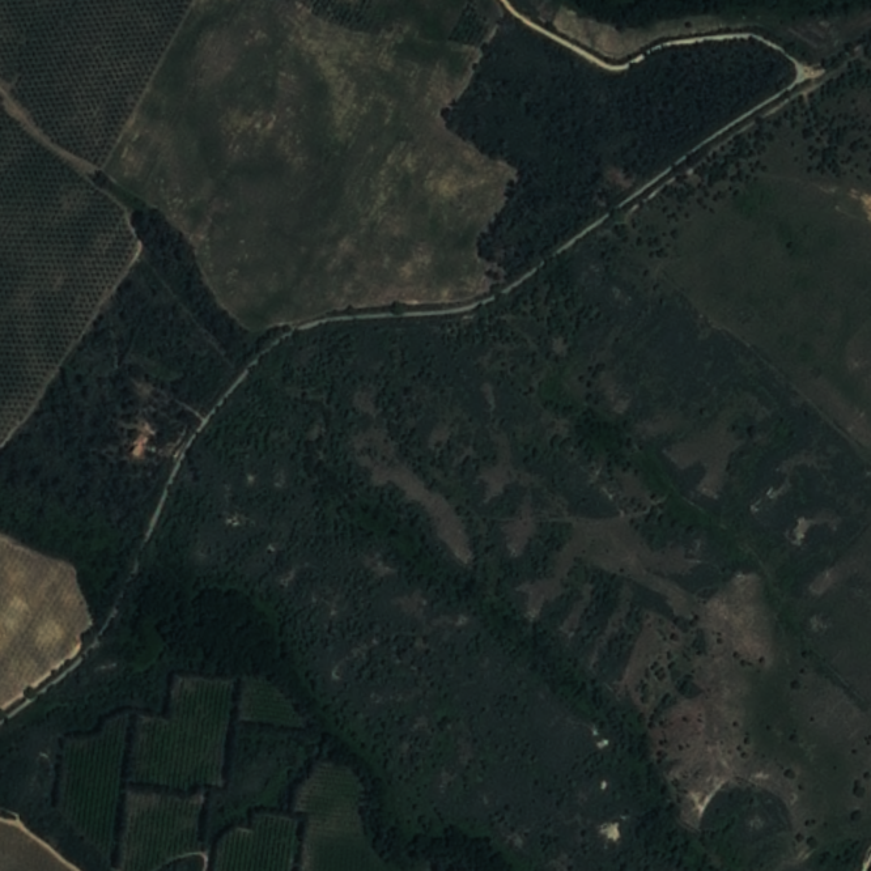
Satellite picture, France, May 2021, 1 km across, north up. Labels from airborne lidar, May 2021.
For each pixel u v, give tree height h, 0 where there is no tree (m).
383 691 0
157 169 0
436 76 0
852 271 0
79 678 9
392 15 0
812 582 0
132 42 6
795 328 0
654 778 11
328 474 11
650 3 22
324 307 0
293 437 8
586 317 8
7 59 5
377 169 0
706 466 0
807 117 6
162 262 7
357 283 0
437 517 0
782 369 0
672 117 16
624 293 0
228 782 18
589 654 0
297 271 0
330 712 11
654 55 16
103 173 12
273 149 0
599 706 18
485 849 14
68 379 17
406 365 7
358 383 7
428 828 11
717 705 0
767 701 0
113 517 21
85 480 24
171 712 19
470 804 0
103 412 9
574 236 5
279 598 5
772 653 0
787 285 0
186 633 23
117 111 6
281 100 0
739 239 0
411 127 0
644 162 6
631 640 7
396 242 0
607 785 0
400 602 0
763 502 0
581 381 8
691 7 24
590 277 0
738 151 7
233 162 0
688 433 0
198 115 0
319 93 0
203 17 0
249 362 8
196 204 0
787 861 0
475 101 11
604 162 18
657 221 0
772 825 0
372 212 0
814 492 0
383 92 0
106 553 9
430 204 0
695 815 0
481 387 0
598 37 0
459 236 0
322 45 0
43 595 0
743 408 0
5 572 0
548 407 7
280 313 0
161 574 17
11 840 0
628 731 7
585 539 0
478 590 23
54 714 7
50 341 5
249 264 0
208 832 18
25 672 0
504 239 22
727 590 0
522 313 7
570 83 7
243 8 0
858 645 0
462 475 7
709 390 0
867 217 0
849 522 0
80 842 8
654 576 0
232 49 0
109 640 13
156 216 17
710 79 17
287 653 13
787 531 0
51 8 6
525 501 0
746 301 0
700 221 0
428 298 0
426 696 5
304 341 10
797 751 0
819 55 0
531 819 0
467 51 0
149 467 23
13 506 7
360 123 0
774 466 0
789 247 7
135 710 14
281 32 0
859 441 0
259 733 15
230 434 7
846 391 0
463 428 0
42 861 0
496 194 0
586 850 7
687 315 0
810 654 7
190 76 0
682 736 0
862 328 0
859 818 10
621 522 0
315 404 12
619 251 7
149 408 21
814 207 0
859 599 0
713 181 8
